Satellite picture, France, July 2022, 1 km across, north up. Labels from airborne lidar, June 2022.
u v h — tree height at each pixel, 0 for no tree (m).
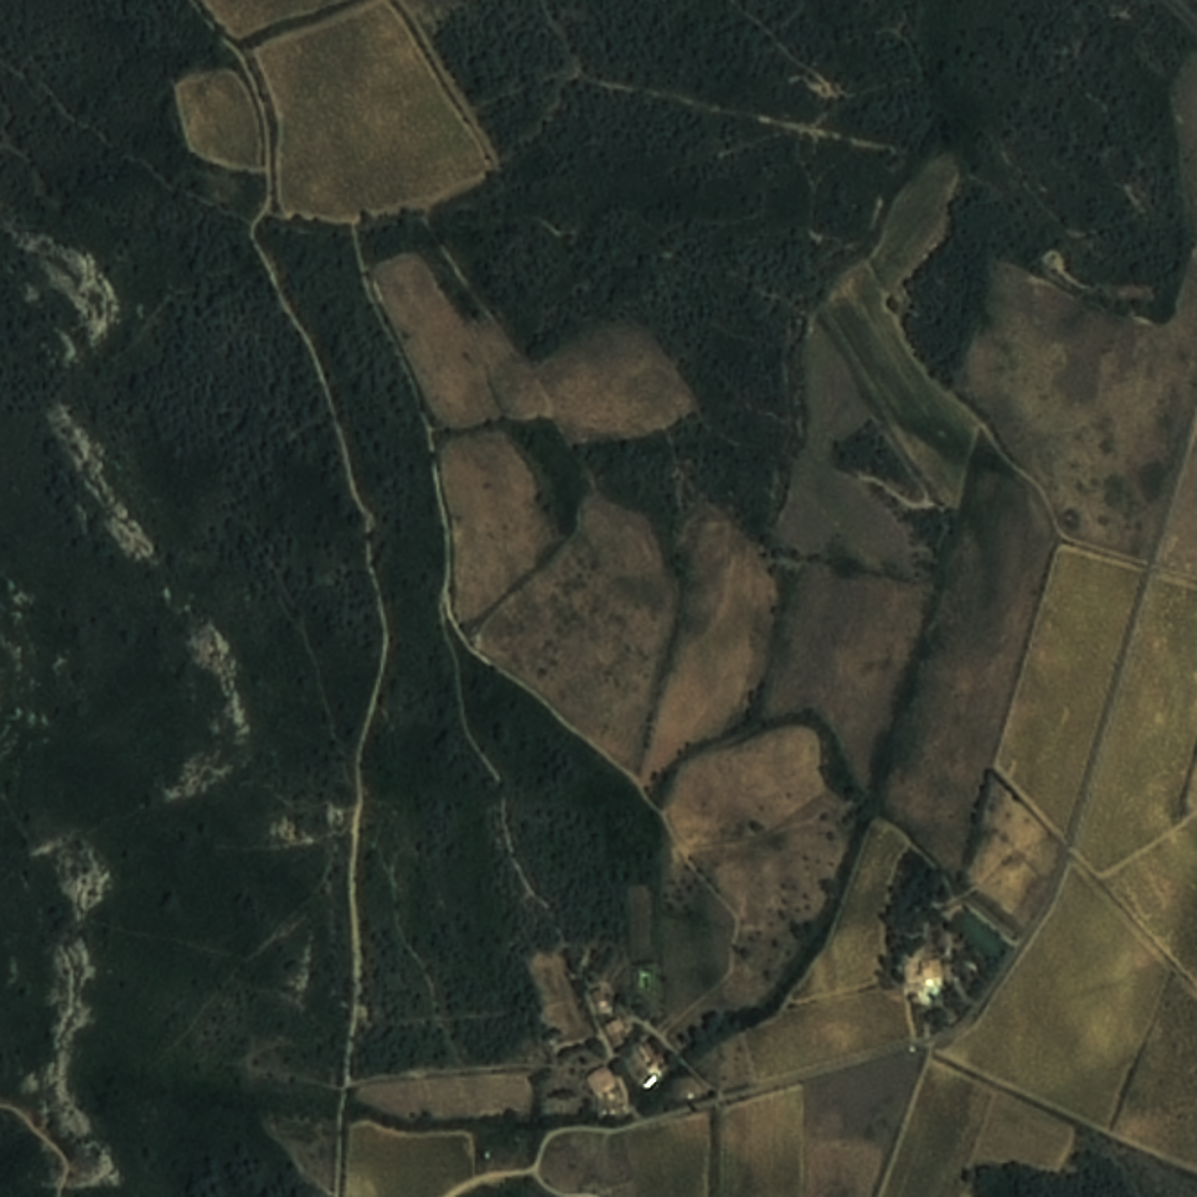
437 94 0
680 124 11
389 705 13
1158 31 6
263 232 8
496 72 12
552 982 0
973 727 0
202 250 13
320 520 9
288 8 0
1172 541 0
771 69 10
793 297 11
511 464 0
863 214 8
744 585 0
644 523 0
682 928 0
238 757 0
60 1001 0
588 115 9
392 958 9
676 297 8
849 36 10
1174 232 7
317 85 0
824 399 0
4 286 10
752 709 7
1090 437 0
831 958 0
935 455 0
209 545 9
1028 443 0
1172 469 0
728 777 0
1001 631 0
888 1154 0
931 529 8
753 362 8
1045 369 0
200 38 8
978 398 0
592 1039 8
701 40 11
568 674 0
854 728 0
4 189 9
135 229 7
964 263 10
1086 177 7
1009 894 0
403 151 0
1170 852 0
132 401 8
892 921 12
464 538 0
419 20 0
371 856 10
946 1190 0
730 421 8
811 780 0
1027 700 0
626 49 12
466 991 10
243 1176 15
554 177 9
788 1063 0
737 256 10
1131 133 11
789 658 0
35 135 8
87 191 11
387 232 10
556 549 0
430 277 0
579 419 0
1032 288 0
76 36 8
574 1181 0
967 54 10
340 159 0
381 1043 11
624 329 0
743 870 0
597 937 13
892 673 0
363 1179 0
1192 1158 0
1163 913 0
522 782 9
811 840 0
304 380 14
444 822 9
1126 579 0
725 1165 0
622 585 0
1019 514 0
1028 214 9
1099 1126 0
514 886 7
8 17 9
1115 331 0
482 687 15
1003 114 7
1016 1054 0
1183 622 0
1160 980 0
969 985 14
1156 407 0
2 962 0
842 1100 0
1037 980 0
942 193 0
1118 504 0
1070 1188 12
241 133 0
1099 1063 0
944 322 12
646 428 0
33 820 14
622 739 0
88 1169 0
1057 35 14
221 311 15
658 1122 0
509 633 0
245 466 14
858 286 0
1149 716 0
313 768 9
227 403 15
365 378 12
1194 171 0
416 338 0
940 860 0
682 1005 0
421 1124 8
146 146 9
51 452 12
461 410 0
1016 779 0
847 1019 0
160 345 10
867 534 0
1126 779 0
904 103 13
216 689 0
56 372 11
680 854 0
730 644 0
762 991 0
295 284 8
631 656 0
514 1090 0
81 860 0
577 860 11
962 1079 0
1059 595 0
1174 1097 0
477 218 6
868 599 0
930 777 0
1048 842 0
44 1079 0
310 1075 0
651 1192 0
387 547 13
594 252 10
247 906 9
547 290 7
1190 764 0
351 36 0
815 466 0
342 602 11
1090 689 0
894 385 0
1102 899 0
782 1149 0
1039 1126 0
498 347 0
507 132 7
